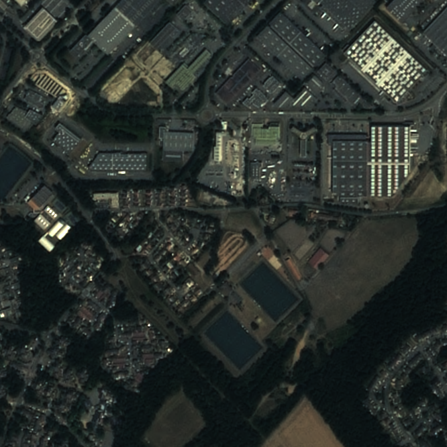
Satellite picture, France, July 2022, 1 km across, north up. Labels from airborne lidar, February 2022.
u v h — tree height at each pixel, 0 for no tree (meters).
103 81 14
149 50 0
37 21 0
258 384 8
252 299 0
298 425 0
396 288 13
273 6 0
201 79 9
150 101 0
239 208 0
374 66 0
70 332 14
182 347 16
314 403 14
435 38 0
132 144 0
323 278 0
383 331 15
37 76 0
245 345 0
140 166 0
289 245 0
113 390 16
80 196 12
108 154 0
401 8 0
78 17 8
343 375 18
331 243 0
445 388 0
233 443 10
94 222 11
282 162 0
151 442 0
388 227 0
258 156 0
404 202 0
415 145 0
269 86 0
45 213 0
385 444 21
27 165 0
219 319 0
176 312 8
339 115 0
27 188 0
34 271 14
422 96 0
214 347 0
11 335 14
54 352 0
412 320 17
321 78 0
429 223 17
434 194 0
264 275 0
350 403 19
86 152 0
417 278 17
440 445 19
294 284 0
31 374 0
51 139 0
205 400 16
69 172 0
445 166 0
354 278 0
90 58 0
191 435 0
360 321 9
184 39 0
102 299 0
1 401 17
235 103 0
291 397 8
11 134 0
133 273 0
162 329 0
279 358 7
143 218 8
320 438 0
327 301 0
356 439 16
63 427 15
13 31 9
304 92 0
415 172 0
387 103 0
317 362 0
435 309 14
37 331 13
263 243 0
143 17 0
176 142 0
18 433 13
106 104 13
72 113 0
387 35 0
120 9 0
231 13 0
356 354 20
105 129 0
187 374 17
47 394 0
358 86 12
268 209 15
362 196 0
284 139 0
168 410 0
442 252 14
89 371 14
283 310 0
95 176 0
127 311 19
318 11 0
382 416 0
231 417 17
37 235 14
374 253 0
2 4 0
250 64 0
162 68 0
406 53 0
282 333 0
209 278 0
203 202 0
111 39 0
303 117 0
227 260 0
